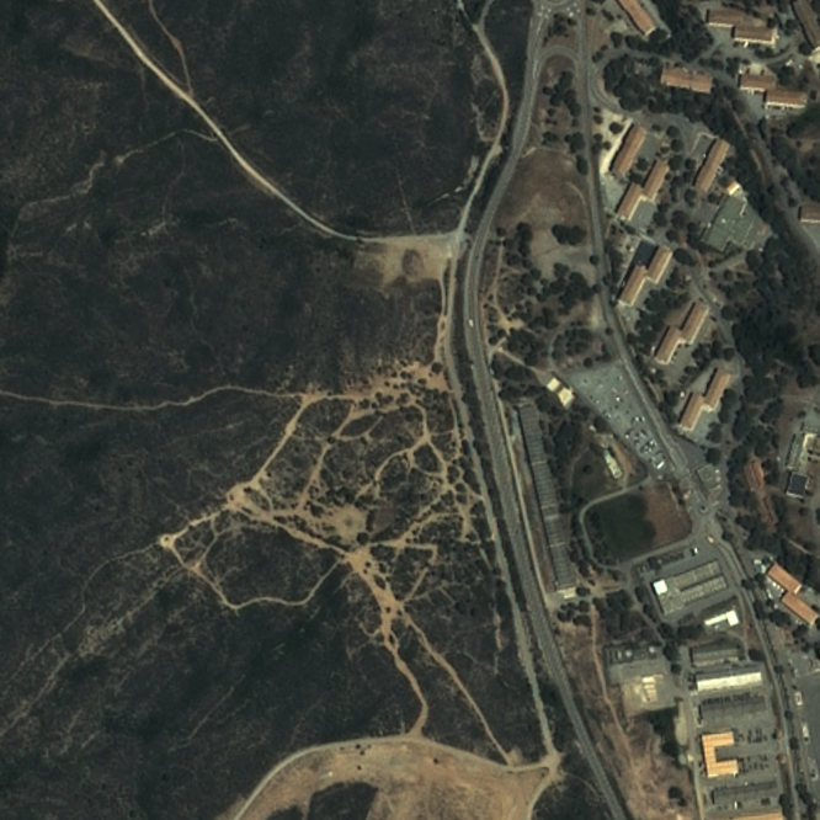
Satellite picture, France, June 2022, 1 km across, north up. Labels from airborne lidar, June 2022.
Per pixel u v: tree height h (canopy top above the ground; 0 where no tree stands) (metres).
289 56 0
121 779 0
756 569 0
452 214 0
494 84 0
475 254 0
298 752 0
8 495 0
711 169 0
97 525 0
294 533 0
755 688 0
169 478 0
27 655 0
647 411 0
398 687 0
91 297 0
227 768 0
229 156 0
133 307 0
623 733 0
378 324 0
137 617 0
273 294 0
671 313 11
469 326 0
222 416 0
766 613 9
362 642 0
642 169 9
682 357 0
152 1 0
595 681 0
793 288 14
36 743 0
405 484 0
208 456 0
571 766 0
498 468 0
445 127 0
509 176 0
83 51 0
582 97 0
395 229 0
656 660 0
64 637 0
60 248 0
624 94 12
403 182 0
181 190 0
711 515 0
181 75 0
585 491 0
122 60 0
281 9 0
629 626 8
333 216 0
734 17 0
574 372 0
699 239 13
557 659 0
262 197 0
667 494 0
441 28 0
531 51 0
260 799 0
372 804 0
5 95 0
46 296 0
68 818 0
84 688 0
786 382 12
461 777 0
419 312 0
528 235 15
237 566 0
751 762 0
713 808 0
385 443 0
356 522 0
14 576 0
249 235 0
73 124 0
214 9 0
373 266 0
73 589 0
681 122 0
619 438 5
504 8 0
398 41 0
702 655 0
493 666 0
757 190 15
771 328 19
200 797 0
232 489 0
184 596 0
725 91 11
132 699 0
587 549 8
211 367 0
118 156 0
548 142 7
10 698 0
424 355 0
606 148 7
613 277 10
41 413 0
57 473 0
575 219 0
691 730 0
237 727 0
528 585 0
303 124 0
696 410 0
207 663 0
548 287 8
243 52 0
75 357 0
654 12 0
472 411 7
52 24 0
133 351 0
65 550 0
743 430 16
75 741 0
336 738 0
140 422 0
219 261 0
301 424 0
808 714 0
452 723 0
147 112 0
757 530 16
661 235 0
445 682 0
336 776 0
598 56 9
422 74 0
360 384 0
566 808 0
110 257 0
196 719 0
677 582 0
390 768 0
